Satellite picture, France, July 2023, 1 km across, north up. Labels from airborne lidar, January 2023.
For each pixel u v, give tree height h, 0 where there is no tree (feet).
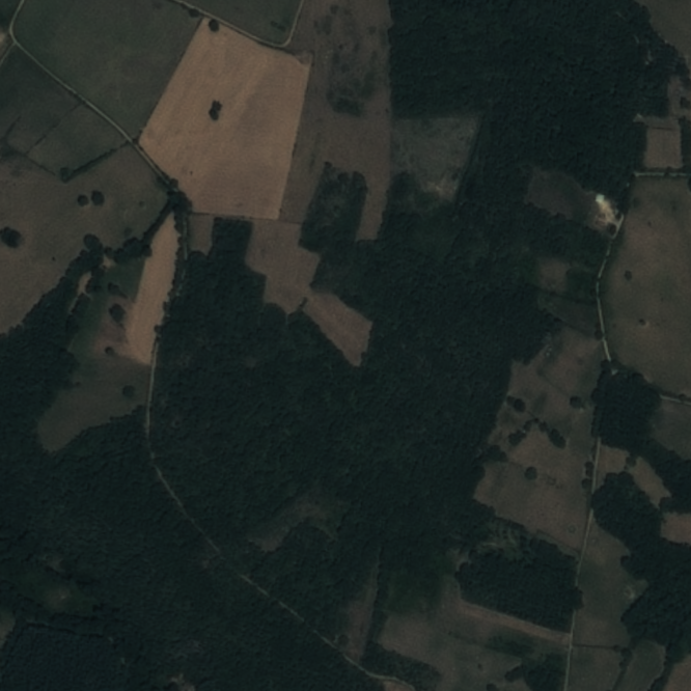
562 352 0
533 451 0
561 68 82
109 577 67
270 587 27
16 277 0
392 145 0
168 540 59
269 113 0
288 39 0
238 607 28
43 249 0
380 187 0
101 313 0
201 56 0
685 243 0
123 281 0
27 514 52
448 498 59
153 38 0
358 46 0
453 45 40
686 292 0
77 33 0
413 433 38
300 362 22
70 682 80
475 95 28
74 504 55
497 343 52
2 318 0
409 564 33
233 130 0
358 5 0
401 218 34
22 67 0
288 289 0
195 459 24
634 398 71
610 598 0
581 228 33
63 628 38
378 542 65
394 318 37
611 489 49
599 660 0
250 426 28
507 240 35
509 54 62
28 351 52
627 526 60
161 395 21
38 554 76
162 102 0
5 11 0
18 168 0
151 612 43
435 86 46
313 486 37
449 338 50
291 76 0
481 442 58
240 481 30
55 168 0
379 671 30
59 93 0
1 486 82
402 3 45
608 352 0
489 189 42
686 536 0
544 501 0
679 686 0
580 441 0
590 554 0
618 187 61
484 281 50
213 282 44
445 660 0
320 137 0
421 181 0
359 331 0
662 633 64
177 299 30
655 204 0
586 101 76
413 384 44
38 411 52
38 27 0
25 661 84
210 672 52
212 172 0
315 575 28
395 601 0
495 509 32
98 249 63
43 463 39
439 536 64
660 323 0
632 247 0
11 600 69
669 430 0
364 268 30
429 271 67
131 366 0
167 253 0
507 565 69
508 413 0
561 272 0
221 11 0
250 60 0
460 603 0
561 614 50
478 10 74
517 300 47
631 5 59
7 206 0
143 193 0
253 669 33
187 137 0
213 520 36
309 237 19
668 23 0
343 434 45
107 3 0
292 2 0
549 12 65
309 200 0
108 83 0
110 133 0
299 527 31
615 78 52
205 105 0
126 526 42
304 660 47
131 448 33
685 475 42
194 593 33
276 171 0
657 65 43
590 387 0
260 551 33
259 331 25
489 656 0
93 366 0
